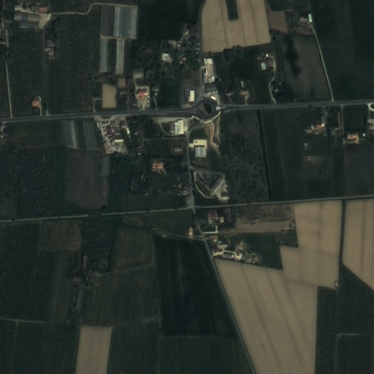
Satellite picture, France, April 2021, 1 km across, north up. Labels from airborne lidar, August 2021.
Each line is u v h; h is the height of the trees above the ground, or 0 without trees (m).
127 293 0
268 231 0
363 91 0
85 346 0
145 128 6
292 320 0
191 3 0
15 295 5
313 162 0
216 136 0
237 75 0
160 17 0
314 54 0
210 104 0
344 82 0
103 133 0
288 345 0
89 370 0
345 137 9
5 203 0
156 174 10
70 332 0
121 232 0
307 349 0
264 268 0
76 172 0
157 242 0
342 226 0
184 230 0
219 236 0
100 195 0
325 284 0
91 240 9
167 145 0
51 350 0
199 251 0
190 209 0
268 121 0
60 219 8
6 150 0
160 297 8
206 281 0
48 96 0
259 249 0
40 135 0
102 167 0
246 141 6
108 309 0
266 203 0
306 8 0
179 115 0
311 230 0
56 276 0
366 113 0
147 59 6
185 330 0
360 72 0
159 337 14
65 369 0
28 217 0
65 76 5
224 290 0
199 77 0
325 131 6
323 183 0
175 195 0
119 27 0
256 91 0
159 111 0
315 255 0
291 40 0
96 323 0
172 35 0
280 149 0
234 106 0
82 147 0
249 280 0
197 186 0
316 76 0
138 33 0
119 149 0
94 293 0
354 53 0
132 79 8
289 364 0
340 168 0
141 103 0
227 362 5
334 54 0
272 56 0
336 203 0
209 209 8
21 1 0
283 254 0
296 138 0
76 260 0
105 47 0
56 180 6
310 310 0
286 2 0
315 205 0
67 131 0
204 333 0
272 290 0
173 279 0
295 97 0
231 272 0
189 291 0
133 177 5
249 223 0
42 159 10
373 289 0
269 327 0
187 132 0
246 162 0
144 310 0
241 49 11
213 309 0
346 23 0
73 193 0
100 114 0
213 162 0
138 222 0
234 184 0
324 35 0
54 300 0
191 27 6
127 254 0
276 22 0
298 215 0
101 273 11
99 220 8
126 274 0
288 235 0
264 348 0
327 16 0
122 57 0
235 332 0
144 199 0
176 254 0
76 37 5
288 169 0
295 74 0
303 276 0
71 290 0
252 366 0
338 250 0
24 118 0
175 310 0
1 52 12
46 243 0
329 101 0
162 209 0
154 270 0
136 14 0
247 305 0
